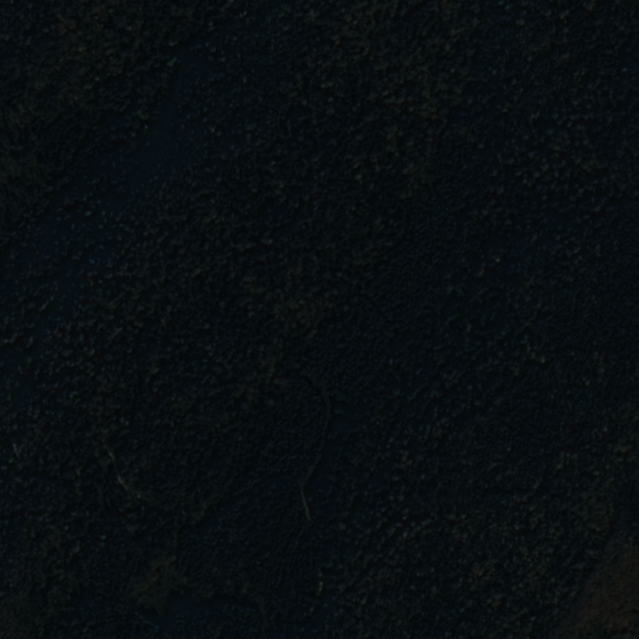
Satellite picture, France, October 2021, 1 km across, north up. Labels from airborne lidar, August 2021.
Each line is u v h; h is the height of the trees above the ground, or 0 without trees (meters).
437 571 10
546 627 14
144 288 21
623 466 20
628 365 17
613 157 22
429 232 29
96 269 22
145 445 19
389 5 18
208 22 25
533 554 18
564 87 19
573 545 25
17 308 18
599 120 33
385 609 16
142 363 18
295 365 27
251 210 26
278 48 19
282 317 20
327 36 11
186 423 22
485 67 21
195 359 19
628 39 13
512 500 18
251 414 28
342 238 19
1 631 18
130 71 31
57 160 14
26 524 11
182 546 24
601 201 24
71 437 16
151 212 11
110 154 24
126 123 40
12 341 14
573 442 19
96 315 25
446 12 26
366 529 25
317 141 10
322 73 19
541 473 14
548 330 18
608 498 18
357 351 28
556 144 29
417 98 21
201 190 22
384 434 13
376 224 25
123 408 26
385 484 19
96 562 18
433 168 30
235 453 31
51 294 13
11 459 19
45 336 18
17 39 28
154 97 11
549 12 15
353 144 15
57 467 17
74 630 15
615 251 15
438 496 20
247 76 17
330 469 12
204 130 20
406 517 14
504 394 20
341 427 8
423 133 24
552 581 12
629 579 25
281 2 19
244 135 26
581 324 18
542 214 30
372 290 26
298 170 21
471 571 15
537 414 13
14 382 17
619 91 14
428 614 22
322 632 28
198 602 20
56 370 16
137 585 18
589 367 19
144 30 29
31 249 20
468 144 27
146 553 22
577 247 23
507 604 24
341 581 20
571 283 15
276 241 28
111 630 23
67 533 26
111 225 31
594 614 18
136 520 6
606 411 21
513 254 27
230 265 25
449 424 15
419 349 30
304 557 24
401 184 27
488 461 22
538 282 19
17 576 18
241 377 28
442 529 20
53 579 22
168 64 32
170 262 24
